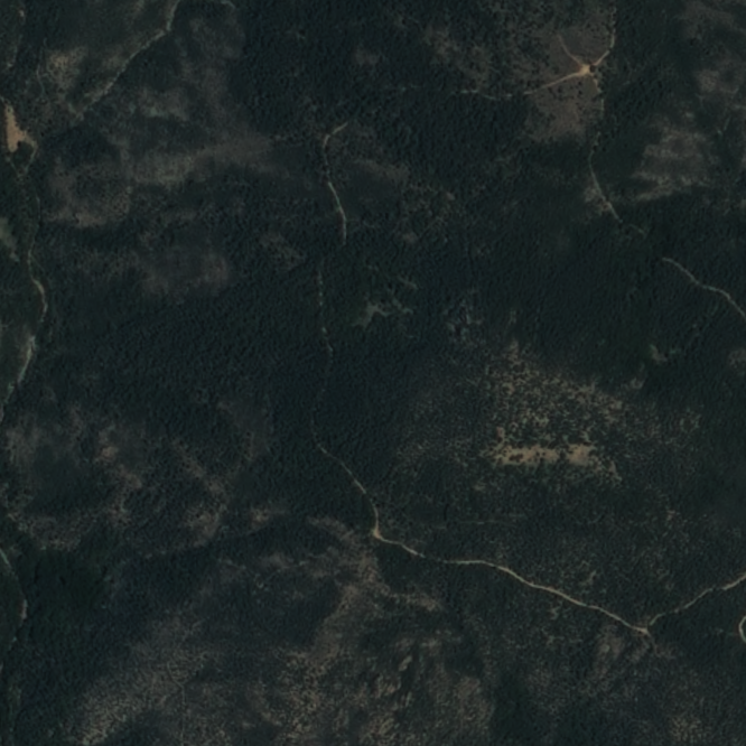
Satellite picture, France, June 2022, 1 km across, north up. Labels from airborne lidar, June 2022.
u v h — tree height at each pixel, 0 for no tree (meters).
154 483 11
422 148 12
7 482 6
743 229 8
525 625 6
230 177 11
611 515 6
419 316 7
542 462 7
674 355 6
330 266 10
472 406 8
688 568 9
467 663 6
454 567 11
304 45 11
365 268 5
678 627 11
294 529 7
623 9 12
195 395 7
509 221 7
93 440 9
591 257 14
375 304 6
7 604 9
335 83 11
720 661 12
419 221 10
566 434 7
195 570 6
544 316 10
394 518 7
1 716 12
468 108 8
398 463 9
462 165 9
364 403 12
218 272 0
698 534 7
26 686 7
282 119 7
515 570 8
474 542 12
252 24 6
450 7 7
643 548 8
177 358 9
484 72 8
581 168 7
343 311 7
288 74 10
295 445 14
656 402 7
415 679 7
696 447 8
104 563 15
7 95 8
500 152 6
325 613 10
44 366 7
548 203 12
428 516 6
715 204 10
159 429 8
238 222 12
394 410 8
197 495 11
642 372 8
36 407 10
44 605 13
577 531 7
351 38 13
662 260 15
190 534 10
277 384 13
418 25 9
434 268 8
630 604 9
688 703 6
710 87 0
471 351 7
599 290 11
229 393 7
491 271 11
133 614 11
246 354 16
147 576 12
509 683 8
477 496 7
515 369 6
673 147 0
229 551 7
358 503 8
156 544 10
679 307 11
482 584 7
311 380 13
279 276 9
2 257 14
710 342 13
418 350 9
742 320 11
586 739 10
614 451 7
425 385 6
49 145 14
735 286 11
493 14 9
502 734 7
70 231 9
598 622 9
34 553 12
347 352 10
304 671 5
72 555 9
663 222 8
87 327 7
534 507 9
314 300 7
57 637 7
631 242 11
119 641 10
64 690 7
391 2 11
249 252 11
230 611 8
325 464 13
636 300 15
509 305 7
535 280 10
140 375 13
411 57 11
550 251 7
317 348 12
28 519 9
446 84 10
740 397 11
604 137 6
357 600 0
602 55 0
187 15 10
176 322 13
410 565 7
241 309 12
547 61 7
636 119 15
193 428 12
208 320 7
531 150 9
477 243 11
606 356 8
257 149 0
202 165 0
